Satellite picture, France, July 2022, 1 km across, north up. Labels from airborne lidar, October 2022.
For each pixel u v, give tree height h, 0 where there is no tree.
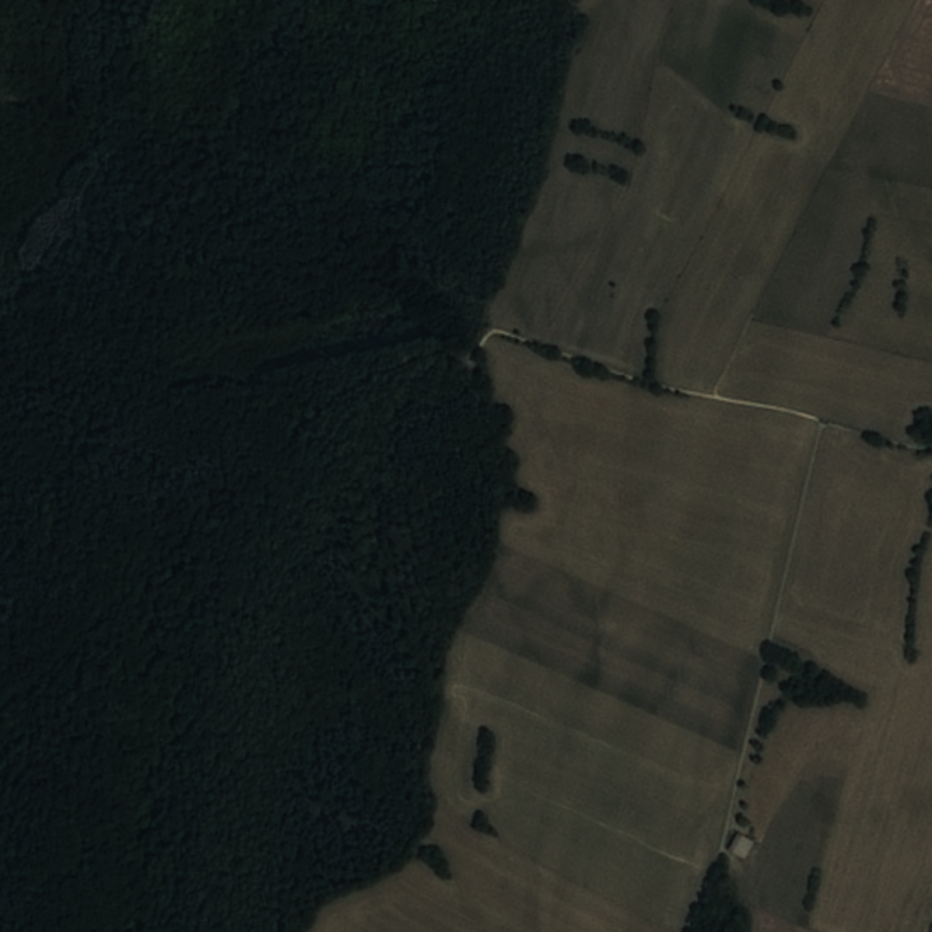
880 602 0
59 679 26
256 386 23
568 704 0
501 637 0
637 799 0
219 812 19
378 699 15
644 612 0
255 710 15
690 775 0
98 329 19
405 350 18
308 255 28
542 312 0
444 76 19
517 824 0
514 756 0
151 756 27
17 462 16
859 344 0
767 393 0
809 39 0
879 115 0
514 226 16
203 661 13
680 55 0
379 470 16
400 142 24
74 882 29
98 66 14
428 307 9
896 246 0
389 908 0
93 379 17
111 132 22
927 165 0
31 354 18
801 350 0
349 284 35
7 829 24
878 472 0
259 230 26
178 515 29
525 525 0
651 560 0
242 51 23
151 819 20
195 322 23
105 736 31
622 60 0
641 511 0
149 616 26
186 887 21
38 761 25
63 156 21
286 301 20
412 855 15
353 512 17
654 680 0
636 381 7
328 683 15
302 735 14
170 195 24
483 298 18
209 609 24
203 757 23
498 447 14
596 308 0
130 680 26
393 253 14
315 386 26
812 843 0
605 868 0
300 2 24
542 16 12
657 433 0
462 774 0
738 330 0
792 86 0
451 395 13
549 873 0
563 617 0
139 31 24
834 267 0
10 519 18
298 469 19
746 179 0
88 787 24
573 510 0
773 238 0
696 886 0
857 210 0
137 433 29
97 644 22
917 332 0
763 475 0
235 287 24
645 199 0
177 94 13
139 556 25
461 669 0
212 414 20
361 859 17
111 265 37
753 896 0
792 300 0
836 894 0
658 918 0
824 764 0
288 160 34
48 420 16
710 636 0
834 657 0
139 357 19
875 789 0
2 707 19
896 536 0
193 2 9
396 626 20
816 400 0
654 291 0
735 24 0
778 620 0
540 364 0
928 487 0
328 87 22
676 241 0
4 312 15
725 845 0
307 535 22
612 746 0
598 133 9
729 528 0
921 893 0
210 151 18
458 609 16
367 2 8
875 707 0
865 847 0
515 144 16
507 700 0
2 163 18
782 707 15
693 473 0
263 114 26
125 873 31
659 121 0
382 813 26
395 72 25
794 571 0
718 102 0
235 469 29
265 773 15
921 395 0
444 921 0
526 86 16
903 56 0
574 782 0
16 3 18
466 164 28
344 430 16
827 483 0
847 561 0
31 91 23
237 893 17
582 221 0
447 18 12
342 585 24
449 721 0
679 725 0
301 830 15
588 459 0
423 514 14
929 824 0
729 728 0
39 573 22
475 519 17
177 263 32
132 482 29
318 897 13
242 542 21
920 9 0
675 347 0
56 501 20
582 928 0
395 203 26
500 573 0
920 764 0
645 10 0
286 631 14
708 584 0
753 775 0
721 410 0
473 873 0
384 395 19
